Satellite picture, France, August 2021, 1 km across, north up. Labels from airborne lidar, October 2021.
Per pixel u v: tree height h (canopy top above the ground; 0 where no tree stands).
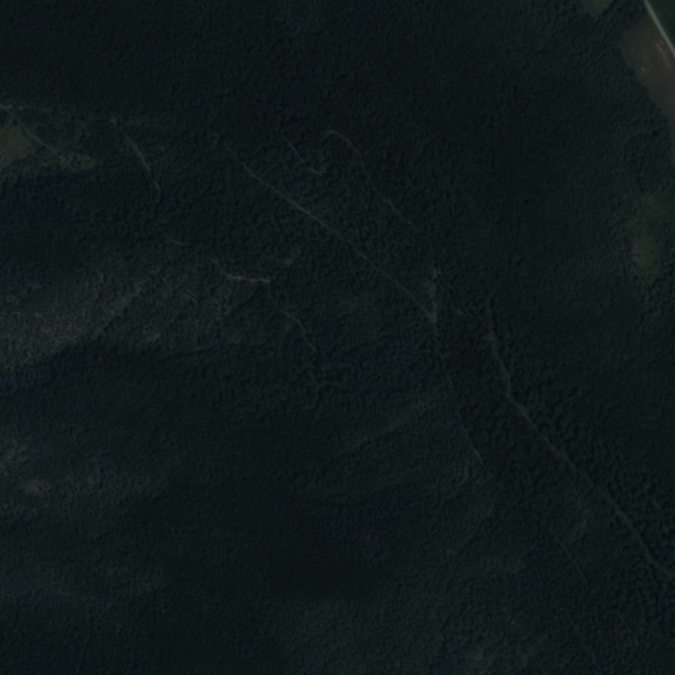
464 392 17
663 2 0
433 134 26
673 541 37
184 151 10
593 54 18
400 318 15
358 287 19
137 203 22
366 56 17
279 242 13
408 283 11
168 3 18
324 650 13
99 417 13
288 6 19
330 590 16
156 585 9
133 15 17
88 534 12
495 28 20
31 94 16
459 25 26
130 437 15
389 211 6
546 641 10
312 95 22
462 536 14
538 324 22
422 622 14
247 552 14
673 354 16
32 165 9
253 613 19
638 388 24
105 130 12
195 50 17
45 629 13
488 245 14
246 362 10
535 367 23
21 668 12
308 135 15
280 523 19
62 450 13
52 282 11
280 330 11
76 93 16
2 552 17
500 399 7
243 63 22
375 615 13
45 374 11
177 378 21
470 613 14
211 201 15
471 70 26
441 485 11
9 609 14
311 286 15
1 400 9
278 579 20
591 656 6
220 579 14
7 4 22
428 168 24
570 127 17
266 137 19
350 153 9
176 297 9
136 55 21
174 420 16
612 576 17
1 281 17
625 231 16
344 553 19
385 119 18
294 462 13
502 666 9
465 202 12
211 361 9
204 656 14
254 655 18
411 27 19
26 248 17
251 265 9
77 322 7
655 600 18
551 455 20
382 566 19
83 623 11
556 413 20
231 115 22
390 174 20
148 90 21
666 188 10
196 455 13
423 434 13
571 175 21
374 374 19
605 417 25
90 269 15
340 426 16
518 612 17
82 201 17
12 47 24
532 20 19
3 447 6
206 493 13
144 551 18
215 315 17
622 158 22
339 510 21
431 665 7
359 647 12
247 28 17
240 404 8
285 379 17
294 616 11
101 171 10
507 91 30
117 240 16
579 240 21
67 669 18
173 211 21
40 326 7
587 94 17
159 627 19
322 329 13
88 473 9
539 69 19
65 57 21
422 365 19
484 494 11
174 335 8
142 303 8
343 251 18
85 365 17
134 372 18
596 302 14
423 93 24
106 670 18
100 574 13
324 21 17
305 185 24
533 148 26
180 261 11
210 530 14
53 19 23
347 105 8
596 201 19
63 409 16
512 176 27
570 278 20
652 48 0
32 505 9
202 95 23
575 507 9
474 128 25
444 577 8
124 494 11
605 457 29
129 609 17
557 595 15
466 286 22
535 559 17
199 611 17
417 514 18
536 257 27
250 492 17
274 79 21
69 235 18
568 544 9
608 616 14
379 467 18
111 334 12
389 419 9
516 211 27
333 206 11
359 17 16
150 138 8
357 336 8
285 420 21
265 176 11
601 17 9
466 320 9
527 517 19
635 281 16
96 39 23
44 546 16
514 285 18
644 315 17
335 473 18
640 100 15
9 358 7
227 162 17
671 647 10
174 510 15
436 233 14
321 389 10
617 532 20
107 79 21
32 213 20
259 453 17
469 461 15
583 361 22
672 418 22
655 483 22
